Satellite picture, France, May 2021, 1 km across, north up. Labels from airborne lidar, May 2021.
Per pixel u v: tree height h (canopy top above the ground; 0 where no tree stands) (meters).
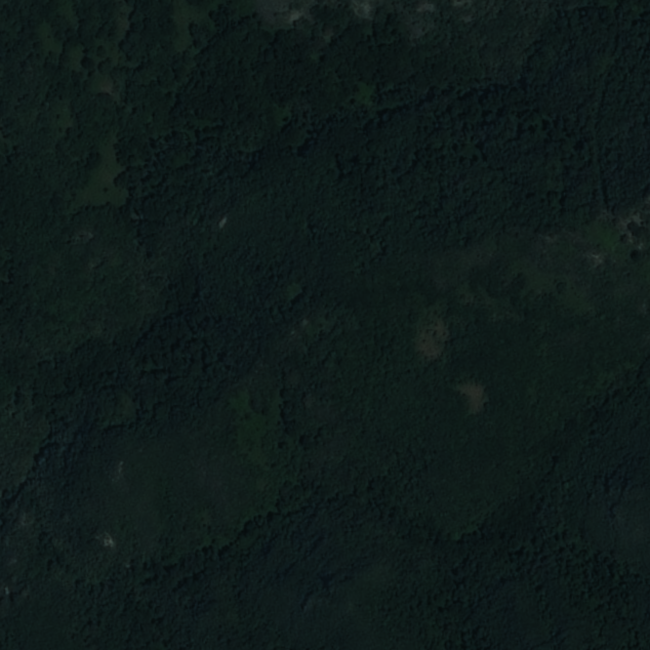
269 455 7
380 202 8
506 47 18
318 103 25
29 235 21
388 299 8
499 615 9
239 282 17
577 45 21
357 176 24
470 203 21
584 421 21
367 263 8
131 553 9
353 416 10
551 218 11
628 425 7
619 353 9
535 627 7
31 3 9
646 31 22
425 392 8
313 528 7
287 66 27
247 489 9
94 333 22
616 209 14
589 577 18
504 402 7
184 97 20
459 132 18
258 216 8
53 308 19
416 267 7
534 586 9
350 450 9
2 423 12
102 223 18
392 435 8
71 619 13
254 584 6
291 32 15
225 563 15
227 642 7
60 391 14
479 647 12
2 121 8
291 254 9
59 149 10
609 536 7
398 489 13
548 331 7
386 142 16
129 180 11
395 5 13
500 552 14
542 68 20
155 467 7
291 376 22
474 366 7
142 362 18
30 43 7
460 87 13
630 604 15
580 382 7
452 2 8
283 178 19
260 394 7
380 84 21
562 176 15
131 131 10
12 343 16
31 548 15
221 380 12
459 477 7
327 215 9
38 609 6
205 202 17
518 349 9
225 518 9
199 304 30
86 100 8
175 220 13
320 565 7
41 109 10
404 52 20
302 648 9
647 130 13
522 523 28
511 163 16
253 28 14
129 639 11
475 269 7
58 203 18
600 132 8
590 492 9
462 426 7
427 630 19
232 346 15
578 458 8
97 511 8
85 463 7
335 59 23
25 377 25
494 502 11
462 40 18
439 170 12
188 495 8
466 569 18
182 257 17
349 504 19
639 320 8
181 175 16
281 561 8
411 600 14
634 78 17
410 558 14
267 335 13
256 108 10
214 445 8
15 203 23
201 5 16
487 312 6
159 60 25
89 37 16
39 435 17
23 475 13
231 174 22
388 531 11
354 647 6
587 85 11
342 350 10
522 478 13
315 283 8
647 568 6
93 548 12
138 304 20
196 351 22
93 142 13
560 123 20
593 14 28
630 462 9
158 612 16
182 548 10
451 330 9
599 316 12
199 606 14
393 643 7
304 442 21
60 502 13
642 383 12
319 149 23
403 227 10
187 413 19
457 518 8
